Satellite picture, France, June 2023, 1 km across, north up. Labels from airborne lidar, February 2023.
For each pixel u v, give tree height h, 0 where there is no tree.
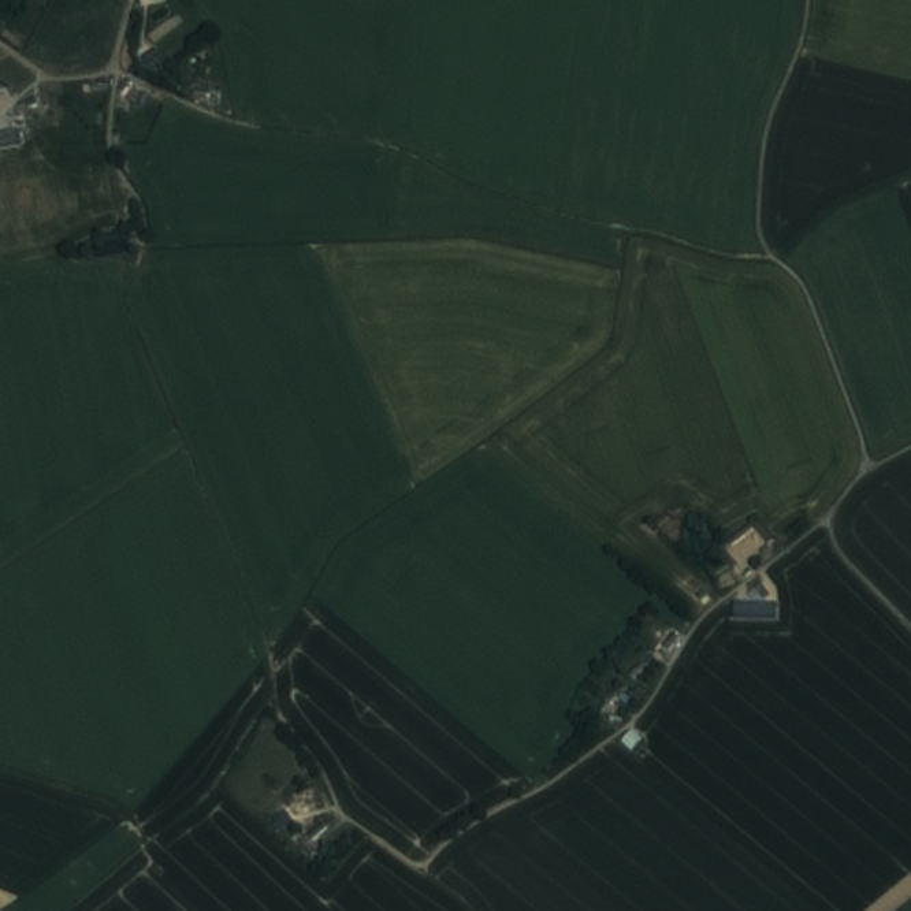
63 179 0
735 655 0
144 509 0
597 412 0
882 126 0
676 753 0
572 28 0
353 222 0
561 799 0
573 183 0
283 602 0
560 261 0
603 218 0
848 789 0
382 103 0
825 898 0
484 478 0
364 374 0
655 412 0
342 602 0
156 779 0
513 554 0
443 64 0
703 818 0
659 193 0
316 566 0
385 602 0
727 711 0
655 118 0
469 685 0
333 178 0
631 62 0
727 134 0
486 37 0
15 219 0
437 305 0
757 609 0
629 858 0
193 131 0
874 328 0
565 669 0
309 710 0
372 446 0
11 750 0
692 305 0
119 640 0
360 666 0
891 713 0
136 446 0
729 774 0
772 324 0
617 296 0
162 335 0
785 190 0
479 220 0
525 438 0
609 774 0
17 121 0
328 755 0
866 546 0
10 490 0
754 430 0
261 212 0
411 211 0
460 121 0
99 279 0
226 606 0
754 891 0
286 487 0
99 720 0
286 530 0
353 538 0
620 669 11
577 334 0
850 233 0
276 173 0
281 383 0
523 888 0
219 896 0
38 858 0
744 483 0
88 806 0
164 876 0
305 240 0
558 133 0
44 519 0
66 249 17
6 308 0
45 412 0
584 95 0
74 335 0
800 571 0
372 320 0
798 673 0
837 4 0
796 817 0
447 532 0
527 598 0
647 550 0
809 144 0
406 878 0
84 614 0
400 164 0
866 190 0
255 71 0
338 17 0
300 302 0
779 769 0
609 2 0
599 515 0
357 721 0
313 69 0
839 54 0
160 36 0
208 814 0
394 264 0
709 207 0
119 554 0
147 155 0
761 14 0
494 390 0
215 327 0
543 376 0
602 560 0
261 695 0
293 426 0
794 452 0
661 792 0
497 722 0
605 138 0
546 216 0
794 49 0
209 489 0
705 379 0
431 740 0
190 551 0
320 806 0
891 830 0
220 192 0
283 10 0
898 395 0
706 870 0
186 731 0
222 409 0
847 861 0
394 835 0
